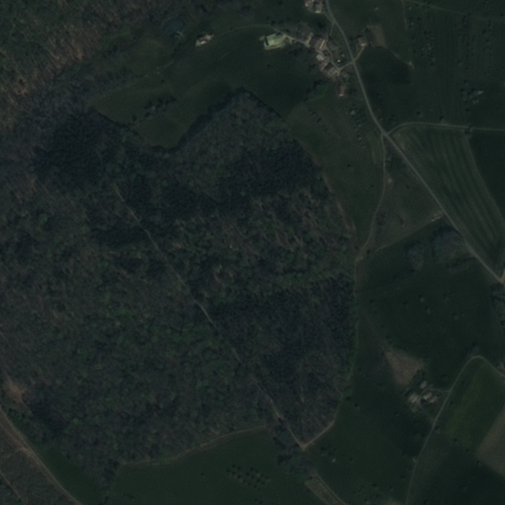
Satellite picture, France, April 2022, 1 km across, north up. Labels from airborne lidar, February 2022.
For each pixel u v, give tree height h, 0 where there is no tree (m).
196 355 31
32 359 29
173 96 0
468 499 0
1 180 29
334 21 0
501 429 0
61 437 31
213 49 0
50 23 26
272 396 24
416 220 0
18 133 22
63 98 39
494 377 0
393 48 0
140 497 0
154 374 27
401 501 0
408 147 0
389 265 0
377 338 0
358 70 0
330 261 30
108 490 7
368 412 0
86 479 0
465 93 11
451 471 0
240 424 33
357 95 17
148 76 0
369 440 0
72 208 29
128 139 26
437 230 0
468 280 0
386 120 0
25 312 33
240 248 27
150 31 0
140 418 25
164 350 31
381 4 0
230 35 0
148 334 29
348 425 0
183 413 31
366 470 0
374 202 0
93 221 30
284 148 28
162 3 27
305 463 26
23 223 31
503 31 0
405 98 0
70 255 10
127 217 25
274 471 0
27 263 27
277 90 0
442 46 0
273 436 11
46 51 25
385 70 0
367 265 0
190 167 32
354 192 0
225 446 0
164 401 28
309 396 29
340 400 19
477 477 0
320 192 28
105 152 22
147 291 32
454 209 0
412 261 24
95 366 30
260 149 28
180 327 29
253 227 30
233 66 0
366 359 0
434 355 0
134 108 0
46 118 26
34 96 26
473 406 0
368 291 0
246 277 27
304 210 28
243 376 28
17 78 29
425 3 11
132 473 0
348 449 0
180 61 0
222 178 29
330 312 26
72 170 32
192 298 26
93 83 0
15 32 27
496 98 0
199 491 0
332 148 0
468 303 0
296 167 27
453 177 0
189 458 0
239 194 29
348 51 0
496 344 0
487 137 0
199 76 0
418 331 0
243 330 26
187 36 0
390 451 0
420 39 0
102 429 29
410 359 0
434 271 0
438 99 0
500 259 0
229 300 28
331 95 0
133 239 28
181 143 0
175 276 31
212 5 0
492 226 0
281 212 24
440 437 0
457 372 0
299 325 30
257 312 25
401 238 0
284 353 25
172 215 28
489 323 0
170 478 0
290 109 0
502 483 0
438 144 0
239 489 0
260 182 29
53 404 28
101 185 26
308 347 25
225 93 0
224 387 30
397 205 0
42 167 28
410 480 0
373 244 0
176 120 0
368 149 0
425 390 0
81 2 27
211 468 0
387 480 0
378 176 0
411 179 0
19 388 0
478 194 0
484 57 0
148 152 22
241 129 31
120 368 30
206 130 30
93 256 0
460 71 0
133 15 22
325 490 0
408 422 0
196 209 27
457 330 0
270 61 0
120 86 24
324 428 25
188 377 26
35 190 0
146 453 32
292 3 0
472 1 0
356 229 0
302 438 25
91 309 32
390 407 0
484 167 0
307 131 0
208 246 27
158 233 24
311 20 0
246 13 20
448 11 0
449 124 0
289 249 27
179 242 29
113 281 23
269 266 30
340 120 0
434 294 0
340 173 0
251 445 0
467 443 0
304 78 0
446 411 0
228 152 29
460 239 30
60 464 0
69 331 30
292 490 0
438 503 0
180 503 0
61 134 29
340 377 25
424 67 0
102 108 0
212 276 26
